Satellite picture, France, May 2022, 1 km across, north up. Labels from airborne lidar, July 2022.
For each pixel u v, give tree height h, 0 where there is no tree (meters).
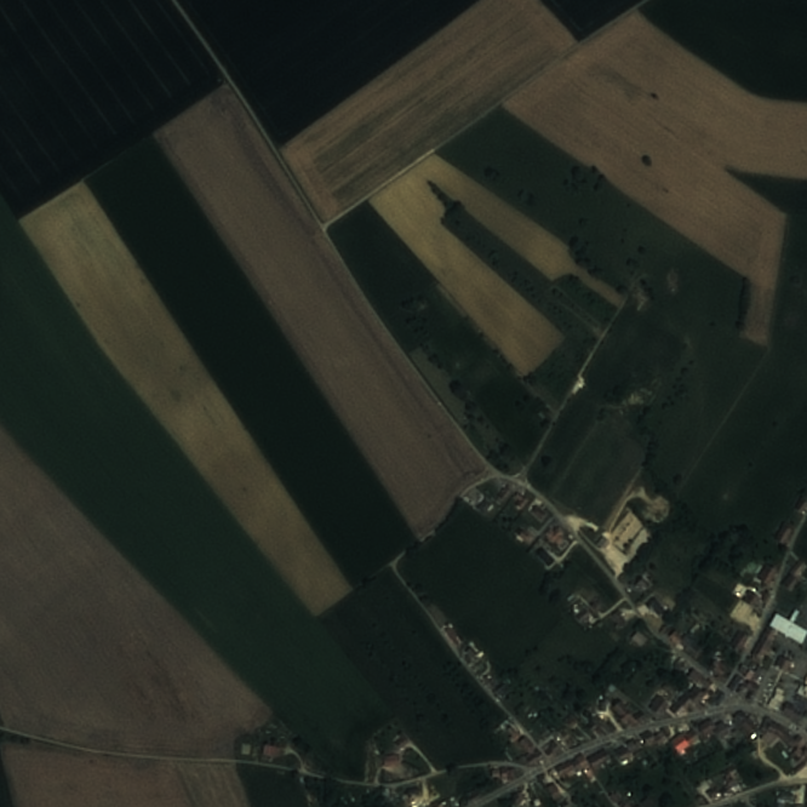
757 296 0
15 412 0
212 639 0
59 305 0
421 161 0
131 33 0
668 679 12
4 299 0
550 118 0
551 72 0
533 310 0
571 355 0
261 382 0
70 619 0
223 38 0
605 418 8
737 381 0
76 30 0
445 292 0
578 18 0
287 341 0
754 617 0
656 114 0
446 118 0
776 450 0
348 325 0
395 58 0
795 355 0
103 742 0
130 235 0
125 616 0
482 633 0
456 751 0
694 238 0
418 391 0
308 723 0
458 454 0
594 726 0
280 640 0
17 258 0
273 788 0
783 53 0
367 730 0
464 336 0
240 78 0
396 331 0
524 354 0
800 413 0
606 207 0
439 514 0
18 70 0
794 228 0
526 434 0
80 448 0
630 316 0
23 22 0
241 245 0
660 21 0
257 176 0
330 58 0
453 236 0
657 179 0
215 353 0
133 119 0
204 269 0
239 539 0
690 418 0
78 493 0
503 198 0
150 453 0
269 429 0
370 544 0
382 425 0
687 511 7
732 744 6
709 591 0
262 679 0
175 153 0
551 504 0
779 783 0
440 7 0
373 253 0
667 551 0
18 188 0
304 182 0
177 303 0
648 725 0
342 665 0
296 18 0
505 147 0
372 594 0
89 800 0
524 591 0
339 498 0
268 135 0
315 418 0
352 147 0
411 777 0
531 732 0
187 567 0
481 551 0
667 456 0
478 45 0
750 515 0
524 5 0
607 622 0
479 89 0
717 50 0
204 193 0
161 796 0
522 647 0
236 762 0
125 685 0
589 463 0
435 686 0
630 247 0
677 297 0
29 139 0
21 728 0
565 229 0
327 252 0
